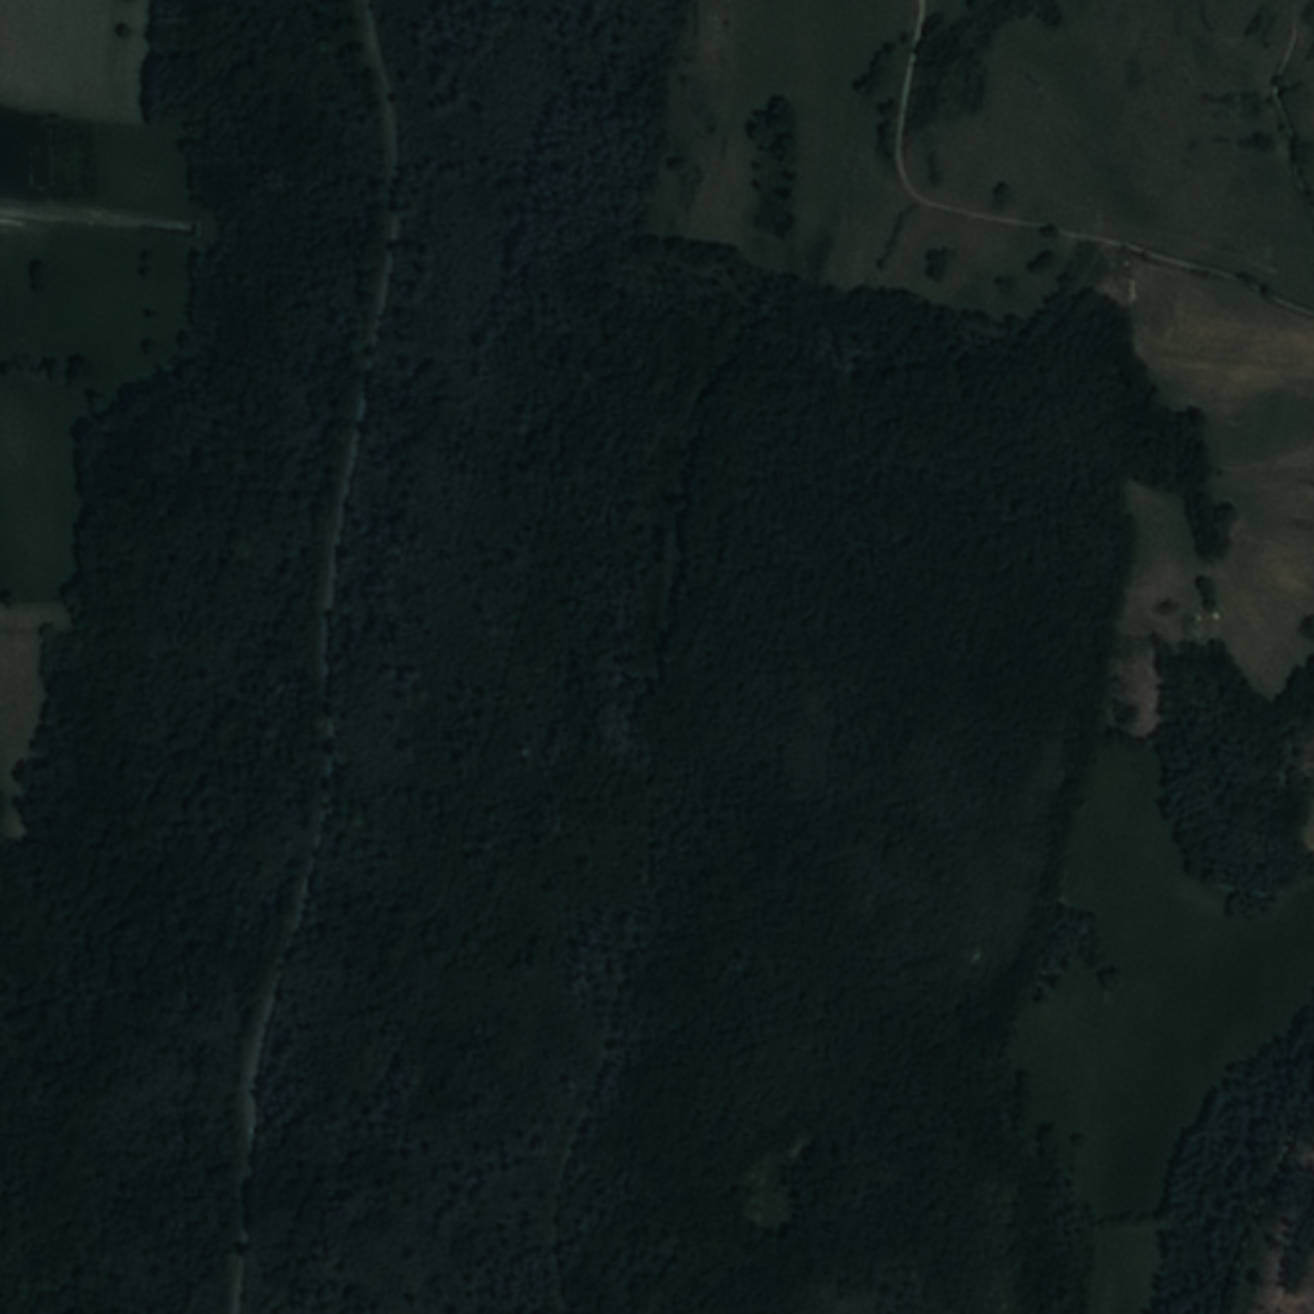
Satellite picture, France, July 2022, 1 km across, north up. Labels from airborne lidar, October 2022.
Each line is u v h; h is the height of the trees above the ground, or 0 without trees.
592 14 16
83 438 23
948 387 22
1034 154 0
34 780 21
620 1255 10
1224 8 0
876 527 16
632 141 12
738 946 8
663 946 16
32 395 0
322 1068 6
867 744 9
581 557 8
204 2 15
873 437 8
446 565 7
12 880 19
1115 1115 0
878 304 20
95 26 0
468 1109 11
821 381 17
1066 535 10
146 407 28
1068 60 0
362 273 6
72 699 20
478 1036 7
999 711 11
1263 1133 22
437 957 14
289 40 7
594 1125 13
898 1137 12
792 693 8
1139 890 0
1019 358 10
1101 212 0
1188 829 14
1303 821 11
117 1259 6
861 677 9
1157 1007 0
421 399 20
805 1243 14
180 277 0
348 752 11
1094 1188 0
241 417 17
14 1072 21
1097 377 12
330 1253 15
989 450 9
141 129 0
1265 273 0
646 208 6
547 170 16
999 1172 10
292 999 8
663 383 13
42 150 0
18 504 0
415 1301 15
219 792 9
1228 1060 0
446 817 14
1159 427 17
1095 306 6
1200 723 20
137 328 0
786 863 16
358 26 9
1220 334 0
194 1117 11
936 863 7
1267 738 15
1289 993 0
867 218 0
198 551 9
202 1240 10
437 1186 7
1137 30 0
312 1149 8
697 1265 9
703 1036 10
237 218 20
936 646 9
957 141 0
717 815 13
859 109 0
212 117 13
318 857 9
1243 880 17
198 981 17
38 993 18
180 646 11
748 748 9
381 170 7
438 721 9
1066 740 7
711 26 0
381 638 6
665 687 21
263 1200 17
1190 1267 7
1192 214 0
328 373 16
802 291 14
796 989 9
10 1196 15
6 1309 12
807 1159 15
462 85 13
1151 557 0
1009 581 11
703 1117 10
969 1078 18
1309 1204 22
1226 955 0
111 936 18
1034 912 8
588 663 14
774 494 13
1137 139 0
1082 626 6
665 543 21
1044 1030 0
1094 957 14
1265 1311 7
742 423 13
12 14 0
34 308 0
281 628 14
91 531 18
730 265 21
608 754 9
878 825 8
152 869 14
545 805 9
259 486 11
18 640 0
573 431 10
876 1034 12
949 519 14
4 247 0
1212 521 14
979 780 8
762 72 0
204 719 7
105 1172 7
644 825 7
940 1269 7
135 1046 7
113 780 9
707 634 10
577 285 12
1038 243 0
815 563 8
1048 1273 17
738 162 0
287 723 14
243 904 13
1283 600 0
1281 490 0
